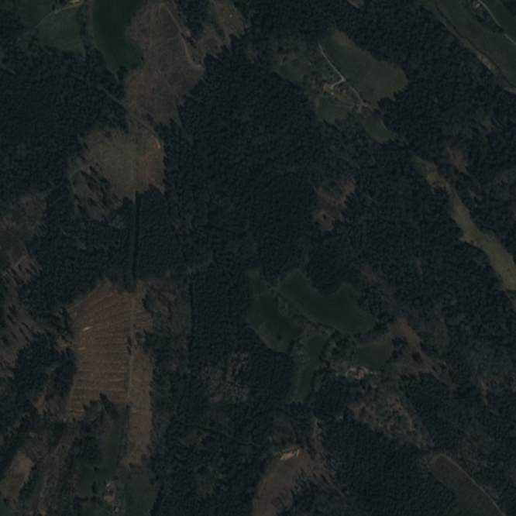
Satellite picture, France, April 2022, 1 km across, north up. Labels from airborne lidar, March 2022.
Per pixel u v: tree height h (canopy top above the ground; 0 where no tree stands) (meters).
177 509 33
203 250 24
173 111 0
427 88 20
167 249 32
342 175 28
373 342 10
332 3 28
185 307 33
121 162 0
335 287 26
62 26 0
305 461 0
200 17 30
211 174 27
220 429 26
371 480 19
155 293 20
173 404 26
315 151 31
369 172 29
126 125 26
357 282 18
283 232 21
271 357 23
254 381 33
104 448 22
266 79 33
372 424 10
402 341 0
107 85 27
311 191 26
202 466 30
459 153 30
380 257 32
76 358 27
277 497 28
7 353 0
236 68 22
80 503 12
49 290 25
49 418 23
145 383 0
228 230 23
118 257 30
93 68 22
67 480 11
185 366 29
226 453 28
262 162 22
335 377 18
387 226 33
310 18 30
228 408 24
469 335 31
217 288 35
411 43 32
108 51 0
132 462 0
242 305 29
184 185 28
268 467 25
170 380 32
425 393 27
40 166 25
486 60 0
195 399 32
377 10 26
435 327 27
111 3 0
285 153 26
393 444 10
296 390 17
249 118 30
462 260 25
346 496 31
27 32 23
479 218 28
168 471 34
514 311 17
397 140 0
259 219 27
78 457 17
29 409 26
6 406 24
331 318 0
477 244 0
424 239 29
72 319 27
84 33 8
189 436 29
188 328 33
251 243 26
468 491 0
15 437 21
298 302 0
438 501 21
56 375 7
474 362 27
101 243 30
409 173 36
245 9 21
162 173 0
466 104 40
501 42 0
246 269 21
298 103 32
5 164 30
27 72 16
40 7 0
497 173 35
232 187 16
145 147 0
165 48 0
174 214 35
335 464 22
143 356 29
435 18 19
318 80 6
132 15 0
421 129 33
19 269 0
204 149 34
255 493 32
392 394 13
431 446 17
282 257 27
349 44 0
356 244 29
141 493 0
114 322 28
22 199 21
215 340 33
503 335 33
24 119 22
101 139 0
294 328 0
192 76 0
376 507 24
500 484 25
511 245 20
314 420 20
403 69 13
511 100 29
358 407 14
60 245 26
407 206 29
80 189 0
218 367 19
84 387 27
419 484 24
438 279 38
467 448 23
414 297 31
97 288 23
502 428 32
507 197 35
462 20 0
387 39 30
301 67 0
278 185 30
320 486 26
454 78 29
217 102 30
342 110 0
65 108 25
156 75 0
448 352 22
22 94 25
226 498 34
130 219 33
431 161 25
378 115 13
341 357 19
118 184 0
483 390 31
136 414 0
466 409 31
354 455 19
